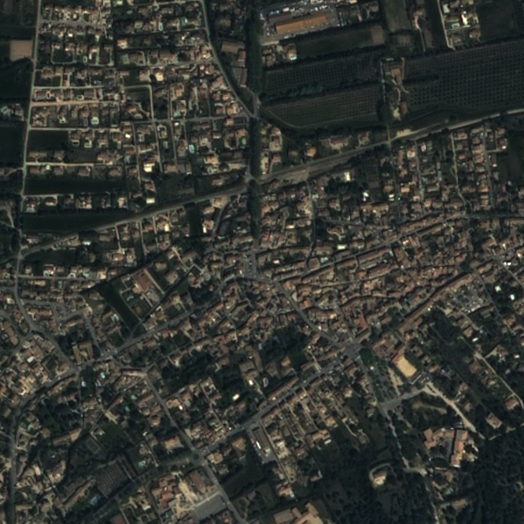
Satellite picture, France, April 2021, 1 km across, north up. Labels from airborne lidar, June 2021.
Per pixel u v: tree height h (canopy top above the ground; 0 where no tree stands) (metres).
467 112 0
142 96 0
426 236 8
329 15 0
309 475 6
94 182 0
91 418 0
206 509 0
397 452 13
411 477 12
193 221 0
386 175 10
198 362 7
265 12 0
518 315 8
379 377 8
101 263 15
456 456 0
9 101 10
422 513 17
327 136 7
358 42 0
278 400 12
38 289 11
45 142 0
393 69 0
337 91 11
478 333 11
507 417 11
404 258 0
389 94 8
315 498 11
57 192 0
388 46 10
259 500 16
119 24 7
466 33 0
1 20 0
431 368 0
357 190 16
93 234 12
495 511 17
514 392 8
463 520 18
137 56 0
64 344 13
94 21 0
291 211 0
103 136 0
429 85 8
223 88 0
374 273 0
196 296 19
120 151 8
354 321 0
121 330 7
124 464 5
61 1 0
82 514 10
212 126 0
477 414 14
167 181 12
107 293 0
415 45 6
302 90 15
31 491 8
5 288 8
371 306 0
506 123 17
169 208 0
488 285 6
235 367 6
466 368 12
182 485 0
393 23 0
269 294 0
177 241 7
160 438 15
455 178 0
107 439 0
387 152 11
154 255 6
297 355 13
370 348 10
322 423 6
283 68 16
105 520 7
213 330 8
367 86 14
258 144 23
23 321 8
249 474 0
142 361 14
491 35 0
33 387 0
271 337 10
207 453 0
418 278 0
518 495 8
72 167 0
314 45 0
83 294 9
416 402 0
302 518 0
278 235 0
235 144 7
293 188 6
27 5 0
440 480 18
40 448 13
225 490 0
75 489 0
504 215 15
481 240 6
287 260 9
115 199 15
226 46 0
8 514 17
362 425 7
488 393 10
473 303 0
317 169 0
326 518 0
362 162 5
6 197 15
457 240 10
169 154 15
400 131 0
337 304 0
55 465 8
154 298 0
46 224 0
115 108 0
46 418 10
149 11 6
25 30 0
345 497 0
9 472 10
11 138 0
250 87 19
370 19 6
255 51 24
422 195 0
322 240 7
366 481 7
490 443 12
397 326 15
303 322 5
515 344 13
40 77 6
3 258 6
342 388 8
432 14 0
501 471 13
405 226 0
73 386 15
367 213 6
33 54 0
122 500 14
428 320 7
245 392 9
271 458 0
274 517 0
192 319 10
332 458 0
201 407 6
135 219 0
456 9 8
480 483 8
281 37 0
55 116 0
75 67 10
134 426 19
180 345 7
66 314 0
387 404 0
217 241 7
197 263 13
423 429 9
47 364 0
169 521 0
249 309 17
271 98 6
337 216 11
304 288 0
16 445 0
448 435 0
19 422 7
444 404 8
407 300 0
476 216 12
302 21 0
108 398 16
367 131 7
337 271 8
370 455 9
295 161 11
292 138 16
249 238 0
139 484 13
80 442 13
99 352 11
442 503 11
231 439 10
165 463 18
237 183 8
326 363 6
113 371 0
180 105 0
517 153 0
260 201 19
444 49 8
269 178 0
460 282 0
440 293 0
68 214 11
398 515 12
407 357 13
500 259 0
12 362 7
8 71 10
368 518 17
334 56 9
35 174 7
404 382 11
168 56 0
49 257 0
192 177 11
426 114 7
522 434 15
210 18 10
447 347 16
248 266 0
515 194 12
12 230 9
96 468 7
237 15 9
